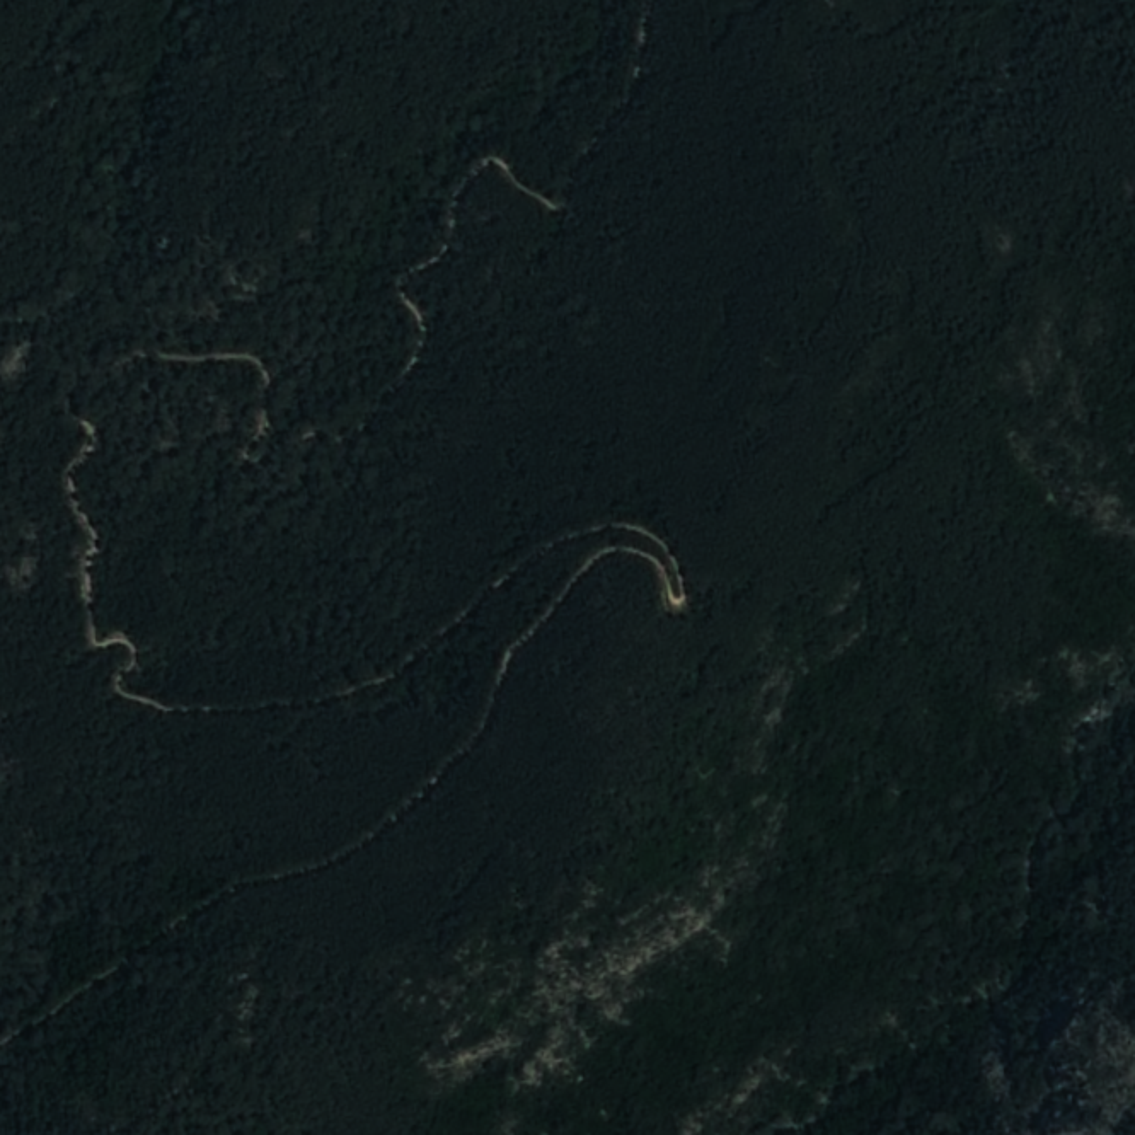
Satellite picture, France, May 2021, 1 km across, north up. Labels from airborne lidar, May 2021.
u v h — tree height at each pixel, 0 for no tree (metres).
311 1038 22
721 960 7
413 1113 16
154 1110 17
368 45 15
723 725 21
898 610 20
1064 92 19
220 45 20
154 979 19
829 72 14
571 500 17
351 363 18
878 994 16
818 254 9
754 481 17
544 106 18
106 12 27
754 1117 8
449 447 15
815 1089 10
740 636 23
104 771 19
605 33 18
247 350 25
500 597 17
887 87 20
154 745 20
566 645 15
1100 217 17
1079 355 7
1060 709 14
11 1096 20
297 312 15
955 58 19
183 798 19
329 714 21
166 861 19
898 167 19
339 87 20
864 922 16
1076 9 14
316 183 14
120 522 19
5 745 11
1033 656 11
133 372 17
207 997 11
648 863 16
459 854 15
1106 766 9
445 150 24
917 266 19
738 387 13
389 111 17
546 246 21
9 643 12
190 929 11
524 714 15
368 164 14
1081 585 12
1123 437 10
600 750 18
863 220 11
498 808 14
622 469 18
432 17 21
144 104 13
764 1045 17
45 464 18
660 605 23
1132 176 17
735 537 21
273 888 17
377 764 20
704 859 9
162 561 23
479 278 17
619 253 22
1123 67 17
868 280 14
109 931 18
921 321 8
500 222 17
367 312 22
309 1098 22
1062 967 8
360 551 23
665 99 18
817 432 18
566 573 13
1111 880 22
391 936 11
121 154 28
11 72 22
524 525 15
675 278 18
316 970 15
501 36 15
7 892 21
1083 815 26
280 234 19
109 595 15
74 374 20
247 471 15
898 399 15
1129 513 9
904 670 23
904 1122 20
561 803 16
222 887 8
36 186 17
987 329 14
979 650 20
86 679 16
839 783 15
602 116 19
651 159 17
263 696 20
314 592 22
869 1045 14
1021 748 22
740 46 12
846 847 18
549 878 18
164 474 25
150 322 17
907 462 23
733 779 12
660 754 21
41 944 20
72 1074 8
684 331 19
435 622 20
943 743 14
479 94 16
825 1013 22
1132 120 18
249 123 13
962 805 22
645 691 17
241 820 19
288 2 18
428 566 20
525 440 15
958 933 17
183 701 18
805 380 17
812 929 25
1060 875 17
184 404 19
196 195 16
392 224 19
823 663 6
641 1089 14
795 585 19
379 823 18
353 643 23
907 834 24
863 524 21
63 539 12
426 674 19
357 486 20
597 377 18
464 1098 14
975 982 14
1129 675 11
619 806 19
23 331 15
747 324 10
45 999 16
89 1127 14
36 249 16
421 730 19
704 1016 14
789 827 13
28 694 12
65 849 25
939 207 16
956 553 20
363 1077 19
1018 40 8
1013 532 19
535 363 16
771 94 10
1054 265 8
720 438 14
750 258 12
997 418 23
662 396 19
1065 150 17
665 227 18
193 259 21
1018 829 20
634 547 14
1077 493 6
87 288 24
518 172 15
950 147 20
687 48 18
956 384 15
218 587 17
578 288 21
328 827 21
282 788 19
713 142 20
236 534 18
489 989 15
